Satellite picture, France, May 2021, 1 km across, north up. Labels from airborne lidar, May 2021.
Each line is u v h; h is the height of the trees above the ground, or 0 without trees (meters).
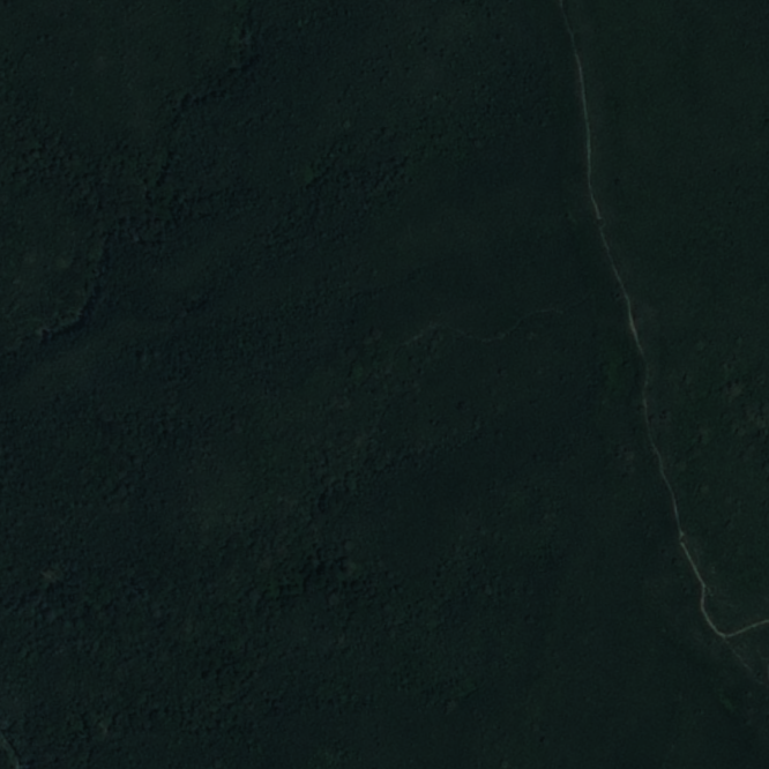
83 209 15
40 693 7
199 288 10
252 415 8
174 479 7
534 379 6
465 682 6
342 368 7
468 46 9
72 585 15
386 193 6
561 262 5
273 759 9
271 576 14
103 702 10
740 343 9
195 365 7
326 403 7
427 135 6
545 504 7
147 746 11
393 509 7
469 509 6
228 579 9
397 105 8
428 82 6
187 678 14
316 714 9
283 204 8
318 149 7
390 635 13
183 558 13
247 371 6
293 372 7
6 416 11
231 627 13
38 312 14
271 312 8
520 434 6
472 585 9
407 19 6
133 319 8
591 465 7
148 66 6
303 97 8
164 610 13
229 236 7
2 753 20
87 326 18
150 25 8
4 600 24
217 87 20
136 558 9
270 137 6
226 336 12
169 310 12
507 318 6
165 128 15
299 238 7
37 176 13
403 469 10
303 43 9
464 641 6
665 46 6
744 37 7
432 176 6
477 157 7
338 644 9
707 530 6
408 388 6
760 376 9
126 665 9
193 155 8
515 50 7
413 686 8
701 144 6
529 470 6
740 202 7
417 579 6
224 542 12
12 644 7
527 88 8
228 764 9
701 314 5
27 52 9
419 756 5
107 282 13
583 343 6
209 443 12
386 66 6
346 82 7
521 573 6
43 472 10
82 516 8
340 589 12
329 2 8
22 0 6
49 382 10
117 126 8
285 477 8
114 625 15
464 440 9
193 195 7
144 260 10
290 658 7
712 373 7
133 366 8
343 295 9
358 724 8
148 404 8
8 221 9
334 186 10
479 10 6
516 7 7
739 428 13
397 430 5
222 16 7
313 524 15
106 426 18
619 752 6
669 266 5
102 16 6
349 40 8
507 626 7
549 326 7
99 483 15
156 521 9
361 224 8
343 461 7
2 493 14
